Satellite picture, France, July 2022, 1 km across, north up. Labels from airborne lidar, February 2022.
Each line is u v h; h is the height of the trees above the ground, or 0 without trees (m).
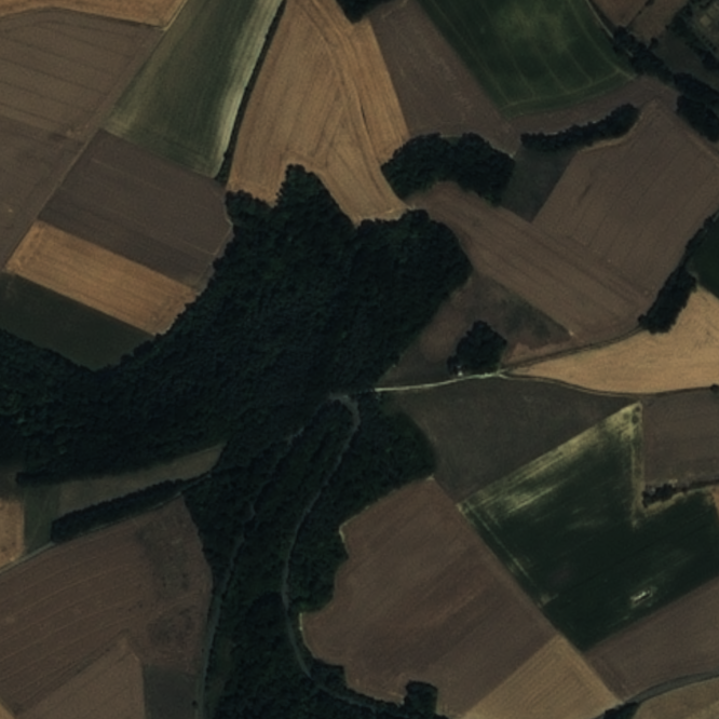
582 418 0
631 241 0
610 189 0
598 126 7
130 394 19
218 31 0
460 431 0
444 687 0
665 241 0
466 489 0
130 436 22
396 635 0
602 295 0
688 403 0
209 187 0
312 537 20
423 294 22
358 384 15
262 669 15
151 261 0
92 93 0
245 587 8
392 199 0
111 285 0
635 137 0
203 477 6
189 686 0
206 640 0
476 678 0
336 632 0
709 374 0
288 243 21
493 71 0
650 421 0
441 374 0
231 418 8
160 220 0
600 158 0
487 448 0
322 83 0
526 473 0
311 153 0
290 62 0
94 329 0
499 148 0
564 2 0
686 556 0
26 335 0
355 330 14
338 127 0
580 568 0
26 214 0
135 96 0
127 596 0
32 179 0
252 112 0
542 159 0
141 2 0
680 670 0
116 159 0
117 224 0
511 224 0
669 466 0
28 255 0
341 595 0
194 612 0
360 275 18
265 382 17
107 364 0
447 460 0
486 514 0
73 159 0
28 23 0
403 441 12
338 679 18
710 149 0
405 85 0
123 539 0
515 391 0
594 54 0
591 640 0
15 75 0
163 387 17
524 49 0
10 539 0
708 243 0
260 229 10
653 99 0
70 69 0
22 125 0
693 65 0
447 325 0
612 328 0
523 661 0
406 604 0
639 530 0
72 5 0
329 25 0
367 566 0
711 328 0
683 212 0
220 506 16
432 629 0
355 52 0
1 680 0
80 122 0
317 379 19
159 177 0
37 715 0
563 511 0
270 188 0
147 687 0
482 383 0
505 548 0
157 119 0
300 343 15
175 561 0
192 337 17
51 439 21
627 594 0
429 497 0
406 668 0
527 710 0
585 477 0
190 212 0
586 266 0
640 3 0
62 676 0
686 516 0
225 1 0
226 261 8
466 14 0
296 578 12
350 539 0
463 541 0
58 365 19
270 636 10
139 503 13
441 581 0
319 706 20
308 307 13
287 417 16
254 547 18
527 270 0
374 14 0
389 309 9
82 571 0
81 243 0
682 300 18
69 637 0
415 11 0
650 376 0
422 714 18
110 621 0
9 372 21
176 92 0
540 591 0
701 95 24
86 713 0
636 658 0
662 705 0
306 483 15
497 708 0
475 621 0
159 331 0
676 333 0
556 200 0
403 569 0
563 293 0
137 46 0
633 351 0
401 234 10
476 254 0
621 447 0
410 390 0
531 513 0
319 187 9
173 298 0
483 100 0
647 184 0
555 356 0
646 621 0
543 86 0
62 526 10
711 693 0
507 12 0
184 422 15
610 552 0
